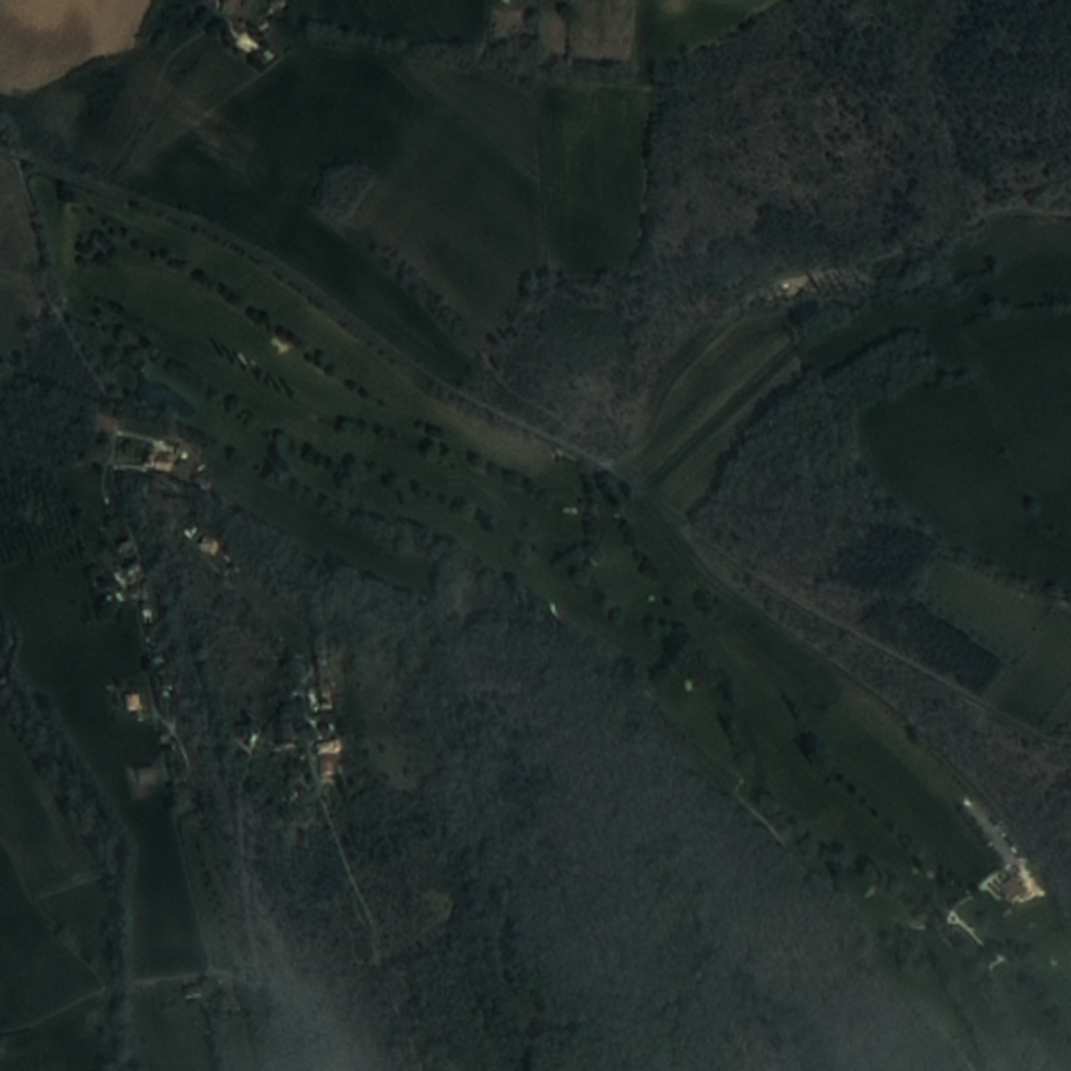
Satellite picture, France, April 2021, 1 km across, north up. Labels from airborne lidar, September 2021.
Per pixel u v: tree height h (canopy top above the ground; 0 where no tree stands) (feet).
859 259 74
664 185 33
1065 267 0
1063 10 49
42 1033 0
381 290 0
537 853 37
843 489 74
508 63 50
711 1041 73
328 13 0
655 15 0
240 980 35
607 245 0
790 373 0
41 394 60
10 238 0
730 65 41
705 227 49
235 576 21
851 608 47
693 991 72
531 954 81
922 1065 52
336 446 0
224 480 0
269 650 19
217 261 0
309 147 0
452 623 44
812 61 32
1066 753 38
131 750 0
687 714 0
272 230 0
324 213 33
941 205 47
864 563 51
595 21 0
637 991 66
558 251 0
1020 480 0
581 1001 56
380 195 0
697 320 54
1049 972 0
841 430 69
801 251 57
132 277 0
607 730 61
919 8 41
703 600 0
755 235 43
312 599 57
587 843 68
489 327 0
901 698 52
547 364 22
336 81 0
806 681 0
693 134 47
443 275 0
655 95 33
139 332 0
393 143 0
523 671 31
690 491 0
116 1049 64
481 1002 76
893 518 73
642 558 32
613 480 36
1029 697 0
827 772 110
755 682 0
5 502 85
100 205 0
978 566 26
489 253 0
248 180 0
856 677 47
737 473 71
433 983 71
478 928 72
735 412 0
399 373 0
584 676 75
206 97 0
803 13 28
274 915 27
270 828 27
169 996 0
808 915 52
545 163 0
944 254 52
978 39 45
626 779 56
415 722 61
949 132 49
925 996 0
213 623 36
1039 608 0
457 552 60
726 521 42
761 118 37
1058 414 0
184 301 0
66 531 78
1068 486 0
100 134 0
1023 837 55
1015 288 0
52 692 0
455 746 32
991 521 0
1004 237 0
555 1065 57
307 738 39
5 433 55
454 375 0
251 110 0
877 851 0
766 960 48
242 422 38
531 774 31
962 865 0
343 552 0
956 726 49
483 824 55
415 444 0
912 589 30
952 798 0
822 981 35
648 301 37
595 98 0
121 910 112
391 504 0
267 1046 24
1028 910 0
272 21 20
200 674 35
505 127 0
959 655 57
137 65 0
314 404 0
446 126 0
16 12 0
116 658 0
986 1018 0
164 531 49
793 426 78
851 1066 22
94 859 95
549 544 0
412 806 60
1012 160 19
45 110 0
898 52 33
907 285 59
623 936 78
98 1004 0
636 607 0
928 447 0
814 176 37
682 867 72
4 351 0
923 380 30
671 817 66
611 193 0
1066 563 0
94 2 0
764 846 78
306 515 0
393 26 0
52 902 0
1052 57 37
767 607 44
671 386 0
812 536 57
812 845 50
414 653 56
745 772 28
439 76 0
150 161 0
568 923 45
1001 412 0
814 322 83
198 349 0
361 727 24
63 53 0
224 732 37
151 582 34
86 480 0
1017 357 0
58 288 45
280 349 0
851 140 24
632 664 0
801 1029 75
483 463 45
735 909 65
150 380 0
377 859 47
